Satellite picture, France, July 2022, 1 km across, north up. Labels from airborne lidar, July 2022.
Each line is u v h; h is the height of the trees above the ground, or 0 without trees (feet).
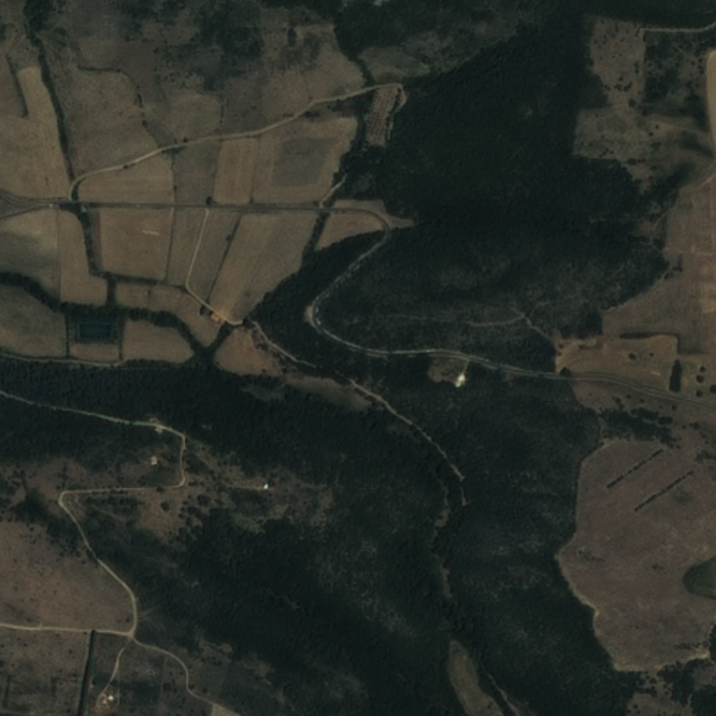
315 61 0
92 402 28
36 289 56
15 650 0
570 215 27
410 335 20
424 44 0
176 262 0
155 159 0
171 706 0
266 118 0
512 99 19
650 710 0
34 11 38
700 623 0
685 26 20
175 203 0
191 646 29
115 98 0
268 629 33
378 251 27
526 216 42
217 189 0
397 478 19
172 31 0
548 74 19
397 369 32
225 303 0
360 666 34
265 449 22
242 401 63
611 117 0
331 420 28
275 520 21
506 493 30
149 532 0
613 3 20
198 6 0
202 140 0
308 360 27
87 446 18
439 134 25
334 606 37
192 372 32
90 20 0
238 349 0
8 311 0
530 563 19
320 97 0
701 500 0
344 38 30
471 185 27
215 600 27
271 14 0
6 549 0
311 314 0
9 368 21
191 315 0
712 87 0
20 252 0
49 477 0
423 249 31
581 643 20
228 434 38
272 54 0
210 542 30
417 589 50
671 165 0
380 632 23
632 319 0
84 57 0
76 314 51
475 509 20
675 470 0
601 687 23
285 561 33
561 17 18
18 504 23
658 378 0
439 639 28
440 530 34
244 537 28
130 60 0
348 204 0
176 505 0
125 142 0
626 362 0
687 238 0
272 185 0
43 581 0
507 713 40
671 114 0
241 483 0
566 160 24
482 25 0
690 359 0
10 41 0
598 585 0
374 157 33
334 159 0
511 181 26
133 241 0
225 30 21
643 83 0
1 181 0
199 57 0
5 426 22
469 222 36
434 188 26
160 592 22
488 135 19
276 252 0
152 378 21
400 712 50
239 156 0
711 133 0
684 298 0
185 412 41
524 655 19
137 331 0
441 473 67
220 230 0
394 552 57
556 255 18
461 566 23
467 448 22
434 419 24
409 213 27
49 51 0
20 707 0
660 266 19
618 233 22
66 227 0
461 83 34
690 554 0
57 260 0
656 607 0
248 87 0
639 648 0
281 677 22
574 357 0
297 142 0
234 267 0
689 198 0
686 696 29
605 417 25
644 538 0
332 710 19
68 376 23
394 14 26
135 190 0
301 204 0
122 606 0
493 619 23
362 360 24
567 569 0
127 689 0
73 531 18
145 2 26
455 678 0
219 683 0
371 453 23
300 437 19
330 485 21
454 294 19
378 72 0
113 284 17
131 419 27
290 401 48
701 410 0
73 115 0
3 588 0
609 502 0
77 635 0
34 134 0
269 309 23
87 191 0
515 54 23
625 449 0
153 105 0
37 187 0
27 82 0
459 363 0
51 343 0
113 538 0
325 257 28
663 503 0
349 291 17
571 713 46
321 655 26
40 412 33
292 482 0
